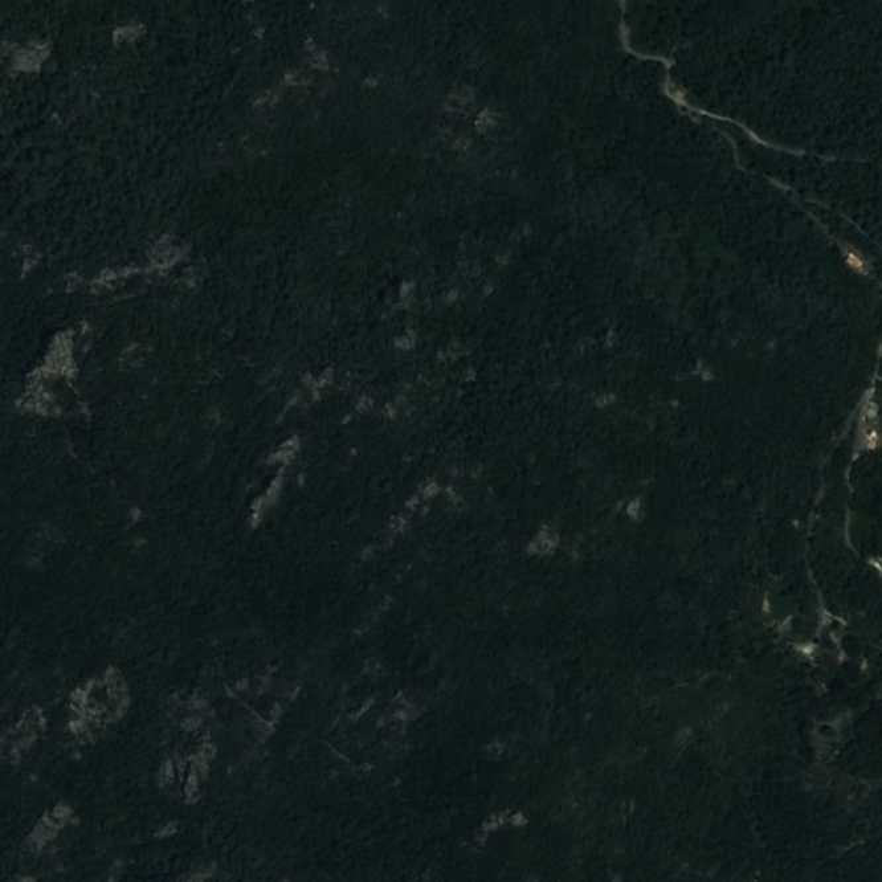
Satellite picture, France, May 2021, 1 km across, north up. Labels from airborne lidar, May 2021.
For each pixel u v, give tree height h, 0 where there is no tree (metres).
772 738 12
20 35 9
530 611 10
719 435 17
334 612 12
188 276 7
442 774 17
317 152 13
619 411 13
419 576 9
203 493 20
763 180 14
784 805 11
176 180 6
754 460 13
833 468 13
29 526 9
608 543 11
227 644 10
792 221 21
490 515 10
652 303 18
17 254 6
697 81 11
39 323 14
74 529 11
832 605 9
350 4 8
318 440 16
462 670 11
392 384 15
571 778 11
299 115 11
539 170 11
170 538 14
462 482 11
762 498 19
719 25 13
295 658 10
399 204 6
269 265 17
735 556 12
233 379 21
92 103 16
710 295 8
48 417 7
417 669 16
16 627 21
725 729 6
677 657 8
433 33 17
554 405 9
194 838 12
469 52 15
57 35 17
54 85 22
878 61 11
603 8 13
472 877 9
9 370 14
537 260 19
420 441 18
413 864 10
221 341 16
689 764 14
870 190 13
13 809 11
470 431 18
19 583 9
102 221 22
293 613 12
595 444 14
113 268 7
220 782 8
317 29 10
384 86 10
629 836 10
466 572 15
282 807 7
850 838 12
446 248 12
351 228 7
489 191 10
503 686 8
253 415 14
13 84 13
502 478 18
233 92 9
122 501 14
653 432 14
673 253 12
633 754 7
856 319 8
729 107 10
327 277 15
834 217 12
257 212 19
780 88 17
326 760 9
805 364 12
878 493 13
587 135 10
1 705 8
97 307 14
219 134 7
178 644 12
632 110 13
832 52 11
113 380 10
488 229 7
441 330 18
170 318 14
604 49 10
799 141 12
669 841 15
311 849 20
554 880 14
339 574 11
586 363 8
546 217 14
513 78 15
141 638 12
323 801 12
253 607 10
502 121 9
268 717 7
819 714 11
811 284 10
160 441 12
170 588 16
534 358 10
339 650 8
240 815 9
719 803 15
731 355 10
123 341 11
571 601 12
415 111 7
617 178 11
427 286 15
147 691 17
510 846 11
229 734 9
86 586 11
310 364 7
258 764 9
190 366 20
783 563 16
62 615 10
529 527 11
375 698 8
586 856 8
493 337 20
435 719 12
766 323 14
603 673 11
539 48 19
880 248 14
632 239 15
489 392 22
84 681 10
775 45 14
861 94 9
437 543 18
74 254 11
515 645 19
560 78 12
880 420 0
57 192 29
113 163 15
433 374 14
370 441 8
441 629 19
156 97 13
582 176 20
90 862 9
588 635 13
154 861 14
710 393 15
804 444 10
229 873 9
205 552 15
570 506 16
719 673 8
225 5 18
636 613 10
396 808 8
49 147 10
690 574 12
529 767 8
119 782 10
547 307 12
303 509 19
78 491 13
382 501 12
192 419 12
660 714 6
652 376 13
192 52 20
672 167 12
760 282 9
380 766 8
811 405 12
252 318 19
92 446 17
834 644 13
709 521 14
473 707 13
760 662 6
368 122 7
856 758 11
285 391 8
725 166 18
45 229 16
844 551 11
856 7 14
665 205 8
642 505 13
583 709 8
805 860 13
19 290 12
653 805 8
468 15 18
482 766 14
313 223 11
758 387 16
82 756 7
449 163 12
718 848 14
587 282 13
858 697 17
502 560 14
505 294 12
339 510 16
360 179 11
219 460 11
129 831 12
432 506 6
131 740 14
